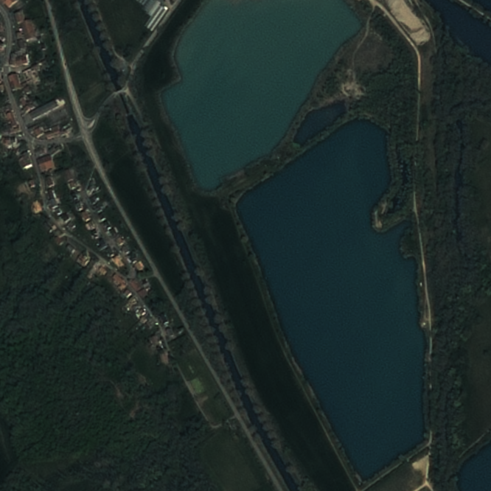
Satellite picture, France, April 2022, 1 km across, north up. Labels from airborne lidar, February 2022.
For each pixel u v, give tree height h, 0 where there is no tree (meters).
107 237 0
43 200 0
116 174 0
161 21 0
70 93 0
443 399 15
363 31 0
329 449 0
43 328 24
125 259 0
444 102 20
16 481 17
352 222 0
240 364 0
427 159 11
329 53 0
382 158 0
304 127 0
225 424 10
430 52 0
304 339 0
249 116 0
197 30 0
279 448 11
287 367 0
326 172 0
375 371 0
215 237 0
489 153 0
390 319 0
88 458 0
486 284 9
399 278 0
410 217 6
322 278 0
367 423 0
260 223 0
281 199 0
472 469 0
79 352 15
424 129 11
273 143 0
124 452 8
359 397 0
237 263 0
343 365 0
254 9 0
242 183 0
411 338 0
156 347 9
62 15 0
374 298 0
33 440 12
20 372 10
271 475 0
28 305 29
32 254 6
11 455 0
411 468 0
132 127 0
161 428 20
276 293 0
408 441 0
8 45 0
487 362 0
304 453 0
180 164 0
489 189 0
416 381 0
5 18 0
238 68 0
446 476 19
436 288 14
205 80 0
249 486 0
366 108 11
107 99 0
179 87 0
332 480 0
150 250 0
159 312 11
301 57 0
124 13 0
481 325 0
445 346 19
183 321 0
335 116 0
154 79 0
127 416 18
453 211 15
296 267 0
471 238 19
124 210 0
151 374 0
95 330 24
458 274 14
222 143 0
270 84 0
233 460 0
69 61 0
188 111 0
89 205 0
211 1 0
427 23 0
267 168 0
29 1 0
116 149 0
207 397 0
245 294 0
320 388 0
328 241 0
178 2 0
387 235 0
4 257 13
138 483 20
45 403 8
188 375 0
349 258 0
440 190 15
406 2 0
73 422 8
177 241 0
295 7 0
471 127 13
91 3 16
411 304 0
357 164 0
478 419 0
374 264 0
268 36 0
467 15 0
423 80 0
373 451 0
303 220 0
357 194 0
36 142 0
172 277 0
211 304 16
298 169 0
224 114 0
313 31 0
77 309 12
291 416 0
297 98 0
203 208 0
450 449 12
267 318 0
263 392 0
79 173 13
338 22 0
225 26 0
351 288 0
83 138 0
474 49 0
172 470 18
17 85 0
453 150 22
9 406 19
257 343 0
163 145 0
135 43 0
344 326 0
